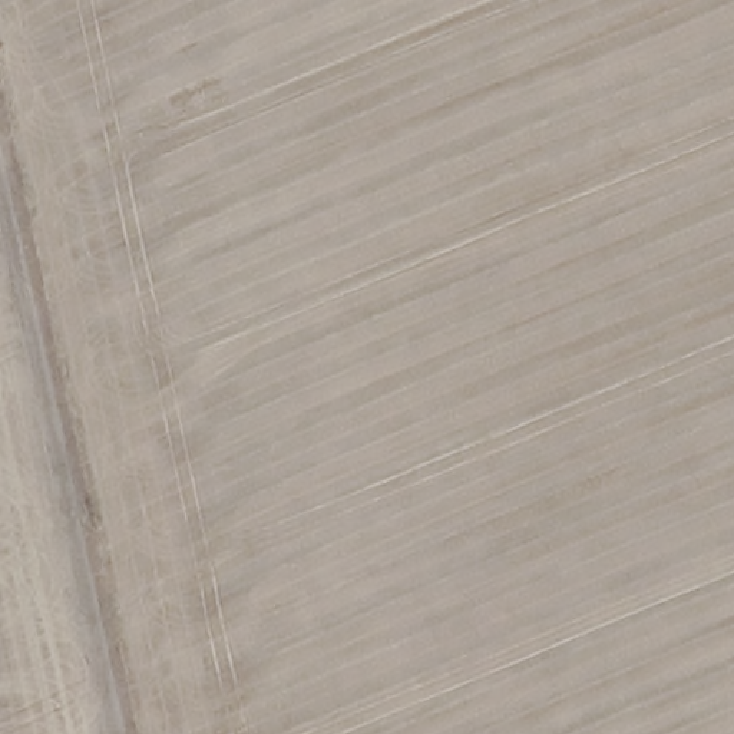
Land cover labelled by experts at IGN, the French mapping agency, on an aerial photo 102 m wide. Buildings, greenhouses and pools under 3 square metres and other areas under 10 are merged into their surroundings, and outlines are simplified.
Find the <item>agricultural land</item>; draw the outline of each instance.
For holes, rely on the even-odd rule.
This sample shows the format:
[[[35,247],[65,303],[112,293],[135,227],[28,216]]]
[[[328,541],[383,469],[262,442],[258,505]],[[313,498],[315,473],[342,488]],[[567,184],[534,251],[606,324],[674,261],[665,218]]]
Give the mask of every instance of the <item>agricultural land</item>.
[[[0,734],[734,734],[734,0],[0,0]]]

